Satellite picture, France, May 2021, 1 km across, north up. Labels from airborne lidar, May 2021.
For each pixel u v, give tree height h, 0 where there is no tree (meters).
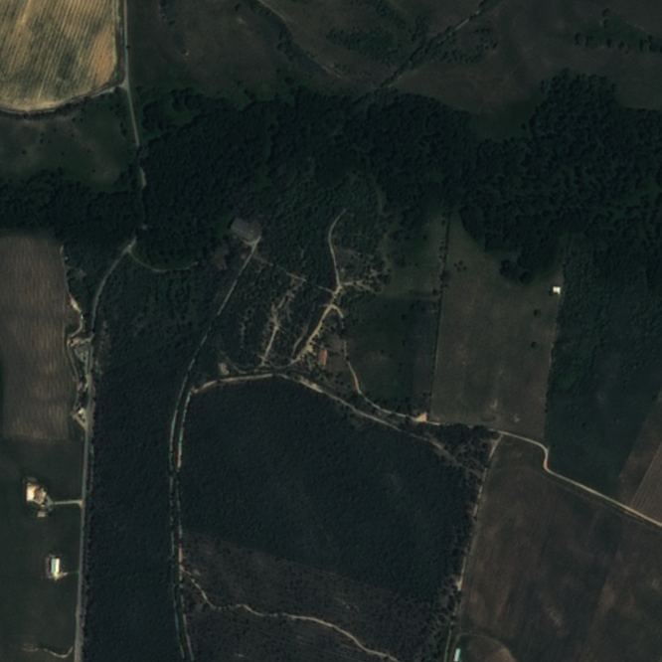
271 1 0
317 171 14
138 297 8
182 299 13
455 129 23
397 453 10
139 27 0
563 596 0
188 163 26
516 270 18
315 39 0
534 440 0
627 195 24
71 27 0
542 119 13
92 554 8
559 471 0
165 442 19
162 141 21
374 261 7
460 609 0
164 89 8
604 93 17
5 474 0
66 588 0
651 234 18
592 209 27
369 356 0
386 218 6
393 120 24
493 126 0
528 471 0
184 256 23
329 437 6
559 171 25
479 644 0
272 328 8
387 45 9
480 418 0
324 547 7
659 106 0
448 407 0
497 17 0
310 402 6
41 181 11
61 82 0
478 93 0
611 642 0
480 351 0
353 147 15
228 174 27
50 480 0
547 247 21
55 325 0
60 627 0
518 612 0
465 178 19
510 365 0
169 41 0
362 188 9
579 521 0
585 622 0
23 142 0
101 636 15
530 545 0
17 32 0
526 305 0
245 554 9
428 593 7
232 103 12
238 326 10
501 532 0
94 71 0
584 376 6
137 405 12
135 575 8
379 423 10
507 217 23
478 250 0
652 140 26
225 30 0
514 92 0
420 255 0
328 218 7
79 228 23
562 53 0
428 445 9
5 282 0
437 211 0
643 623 0
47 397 0
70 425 0
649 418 0
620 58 0
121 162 0
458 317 0
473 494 18
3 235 0
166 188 24
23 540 0
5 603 0
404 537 7
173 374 6
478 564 0
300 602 9
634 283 8
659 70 0
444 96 0
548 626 0
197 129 26
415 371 0
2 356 0
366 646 7
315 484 11
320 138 12
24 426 0
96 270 8
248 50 0
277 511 9
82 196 20
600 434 0
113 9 0
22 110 0
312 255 12
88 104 12
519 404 0
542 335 0
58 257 0
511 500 0
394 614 13
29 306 0
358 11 0
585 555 0
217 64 0
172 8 0
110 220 24
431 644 9
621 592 0
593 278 7
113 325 7
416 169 28
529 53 0
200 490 6
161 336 6
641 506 0
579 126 24
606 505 0
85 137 0
